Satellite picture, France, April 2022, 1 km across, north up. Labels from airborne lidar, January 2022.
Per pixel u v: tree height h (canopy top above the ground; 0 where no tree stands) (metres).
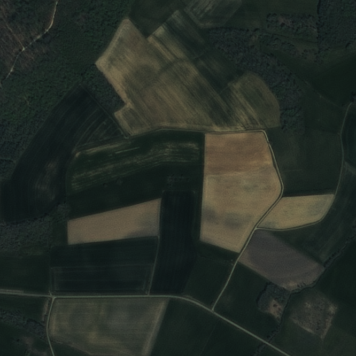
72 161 0
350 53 13
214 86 0
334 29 13
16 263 0
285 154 0
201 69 0
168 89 0
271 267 0
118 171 0
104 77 19
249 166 0
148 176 0
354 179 0
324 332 0
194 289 0
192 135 0
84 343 0
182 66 0
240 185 0
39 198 0
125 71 0
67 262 0
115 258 0
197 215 0
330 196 0
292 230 0
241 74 0
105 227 0
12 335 0
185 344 0
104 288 0
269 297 22
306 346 0
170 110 0
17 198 0
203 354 0
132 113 0
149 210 0
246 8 0
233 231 0
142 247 0
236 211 0
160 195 0
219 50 9
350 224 0
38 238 21
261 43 6
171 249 0
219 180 0
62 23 11
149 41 0
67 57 9
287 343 0
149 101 0
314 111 0
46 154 0
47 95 21
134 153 0
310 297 0
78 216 0
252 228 0
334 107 0
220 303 0
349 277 0
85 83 16
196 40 0
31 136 19
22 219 0
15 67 25
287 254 0
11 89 22
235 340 0
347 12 21
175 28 0
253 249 0
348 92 0
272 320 0
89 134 0
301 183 0
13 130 18
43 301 0
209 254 0
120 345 0
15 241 16
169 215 0
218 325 0
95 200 0
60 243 0
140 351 0
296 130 19
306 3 0
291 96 21
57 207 14
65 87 19
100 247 0
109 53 0
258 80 0
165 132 0
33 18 29
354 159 0
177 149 0
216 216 0
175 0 0
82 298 0
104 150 0
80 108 0
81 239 0
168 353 0
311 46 0
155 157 0
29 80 28
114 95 20
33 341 0
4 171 20
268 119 0
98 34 23
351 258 0
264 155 0
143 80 0
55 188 0
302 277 0
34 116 19
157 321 0
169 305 0
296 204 0
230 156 0
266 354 0
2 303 0
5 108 19
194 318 0
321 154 0
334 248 0
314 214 0
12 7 30
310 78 0
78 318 0
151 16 0
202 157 0
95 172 0
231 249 0
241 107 0
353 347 0
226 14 0
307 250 0
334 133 0
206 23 0
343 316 0
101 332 0
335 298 0
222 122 0
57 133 0
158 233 0
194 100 0
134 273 0
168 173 0
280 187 0
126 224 0
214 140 0
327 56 17
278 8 0
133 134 0
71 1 25
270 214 0
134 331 0
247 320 0
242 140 0
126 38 0
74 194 0
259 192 0
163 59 0
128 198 0
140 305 0
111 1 22
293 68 0
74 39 14
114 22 18
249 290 0
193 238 0
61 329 0
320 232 0
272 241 0
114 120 0
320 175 0
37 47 30
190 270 0
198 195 0
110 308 0
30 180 0
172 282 0
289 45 8
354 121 0
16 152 16
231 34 20
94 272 0
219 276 0
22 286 0
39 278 0
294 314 0
